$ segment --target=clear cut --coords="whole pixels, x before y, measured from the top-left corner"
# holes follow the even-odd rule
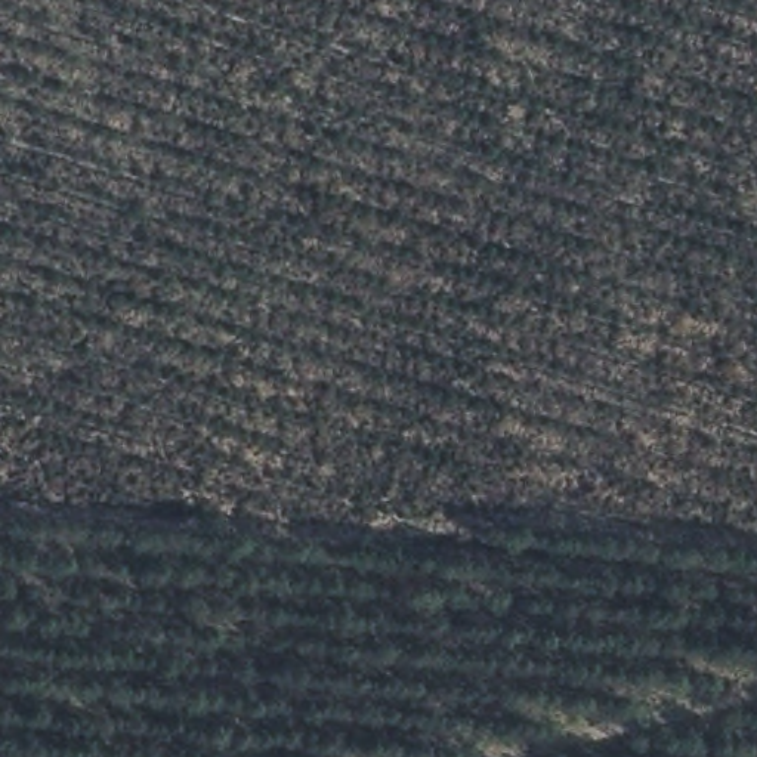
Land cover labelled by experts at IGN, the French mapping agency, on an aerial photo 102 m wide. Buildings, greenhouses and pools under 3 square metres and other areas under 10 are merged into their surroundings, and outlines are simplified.
[[[399,485],[399,500],[405,503],[399,520],[408,526],[420,526],[423,517],[444,512],[447,500],[470,500],[485,506],[547,503],[591,517],[698,517],[733,523],[739,529],[751,529],[757,520],[757,0],[0,0],[0,491],[21,497],[27,485],[38,485],[44,494],[59,491],[62,500],[80,506],[204,500],[210,509],[222,509],[228,503],[228,485],[237,485],[242,491],[257,491],[248,503],[248,515],[287,523],[290,506],[299,506],[308,517],[337,523],[346,515],[343,497],[349,497],[355,506],[364,506],[367,497],[384,497],[390,485]]]

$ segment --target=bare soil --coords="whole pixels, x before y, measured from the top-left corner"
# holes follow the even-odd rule
[[[470,529],[449,520],[444,512],[423,517],[420,526],[423,532],[452,532],[461,541],[470,538]]]
[[[716,727],[719,733],[730,713],[757,713],[757,674],[751,668],[707,659],[701,654],[692,656],[692,662],[692,668],[722,677],[722,692],[689,695],[686,701],[656,701],[642,719],[588,724],[577,707],[562,710],[553,704],[547,710],[550,722],[556,722],[556,727],[565,733],[559,739],[529,742],[517,748],[497,742],[482,742],[479,751],[485,757],[630,757],[636,736],[659,730],[659,724],[668,724],[680,739],[698,736],[698,730],[701,730],[701,727],[707,727],[707,724],[710,724],[710,727]]]

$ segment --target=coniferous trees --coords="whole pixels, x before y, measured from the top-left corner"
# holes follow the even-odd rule
[[[106,651],[68,654],[27,645],[0,648],[0,656],[21,662],[56,662],[62,668],[136,671],[151,671],[154,659]]]
[[[364,677],[281,668],[275,674],[275,686],[290,689],[423,698],[426,689],[423,683],[402,680],[373,683]]]
[[[101,562],[62,562],[56,571],[59,577],[77,574],[101,580],[130,580],[130,568],[124,565],[115,568]]]
[[[512,727],[485,722],[485,730],[497,742],[517,748],[529,742],[559,739],[565,733],[556,727],[556,722],[550,722],[526,719],[526,724]]]
[[[30,627],[56,636],[89,633],[86,621],[77,615],[44,618],[35,612],[12,612],[3,621],[9,630]]]
[[[633,538],[556,538],[535,535],[529,529],[470,529],[470,538],[506,547],[512,553],[535,547],[565,556],[645,562],[656,559],[656,547]]]
[[[473,722],[447,719],[444,713],[449,704],[491,704],[491,689],[447,686],[435,698],[429,713],[346,710],[340,704],[322,704],[308,710],[308,733],[245,733],[242,748],[299,748],[308,754],[337,757],[485,757],[479,751],[482,742],[473,730]],[[449,748],[435,751],[420,745],[367,745],[364,751],[352,751],[355,742],[346,742],[343,736],[334,736],[328,742],[316,739],[319,724],[328,719],[393,724],[405,730],[429,727],[447,736]]]
[[[103,612],[166,612],[163,600],[112,594],[103,603]]]
[[[145,571],[148,585],[204,583],[201,568],[157,568]]]
[[[668,724],[659,724],[659,730],[659,742],[665,745],[665,751],[683,757],[695,757],[695,754],[704,754],[704,739],[698,736],[680,739]]]
[[[257,648],[266,627],[325,627],[340,630],[340,645],[302,642],[302,654],[337,656],[346,662],[367,665],[396,662],[441,671],[455,668],[491,674],[559,674],[574,683],[612,686],[615,692],[609,695],[609,701],[574,701],[559,698],[553,692],[535,692],[535,698],[547,710],[553,704],[562,710],[577,707],[588,724],[642,719],[656,701],[686,701],[689,695],[722,692],[722,677],[692,668],[677,677],[662,677],[656,671],[624,674],[583,668],[571,662],[529,659],[523,656],[523,645],[571,648],[585,654],[609,651],[618,656],[654,654],[692,662],[692,656],[701,654],[707,659],[751,668],[757,674],[757,651],[727,648],[724,642],[689,645],[651,642],[633,636],[580,636],[577,618],[639,621],[639,609],[606,609],[591,603],[568,603],[562,633],[526,627],[467,627],[470,642],[506,645],[509,659],[464,656],[447,651],[411,654],[399,648],[355,648],[349,636],[352,630],[444,636],[449,621],[444,618],[441,606],[488,606],[500,612],[509,609],[506,594],[470,591],[470,580],[553,585],[603,594],[642,594],[654,591],[654,580],[503,568],[473,559],[452,565],[438,556],[429,556],[426,571],[444,580],[455,580],[455,591],[414,591],[408,621],[393,621],[387,615],[361,618],[355,612],[302,615],[284,609],[272,612],[263,606],[242,609],[242,594],[337,594],[367,600],[387,597],[387,588],[343,580],[275,577],[269,574],[272,559],[408,574],[411,556],[405,550],[373,553],[358,547],[337,550],[319,544],[293,547],[269,544],[260,538],[195,535],[166,529],[118,532],[112,526],[92,529],[71,523],[35,526],[12,517],[0,526],[0,597],[15,597],[18,583],[24,583],[27,574],[35,574],[35,559],[21,556],[27,541],[121,547],[136,553],[219,553],[228,556],[222,568],[222,585],[231,588],[228,600],[186,600],[186,612],[195,621],[201,621],[210,630],[210,636],[154,627],[109,630],[109,639],[172,645],[174,656],[166,665],[166,677],[195,674],[195,659],[204,651]],[[222,612],[228,615],[228,621],[254,621],[254,624],[257,624],[257,627],[254,627],[254,633],[248,633],[248,636],[242,636],[242,633],[228,633],[228,636],[225,636],[225,633],[216,633],[213,627],[216,627],[216,621],[219,621],[219,615],[222,615]]]
[[[719,571],[757,574],[757,553],[727,553],[719,559]]]
[[[730,713],[719,733],[719,739],[722,739],[722,757],[757,757],[757,713]]]
[[[201,730],[189,724],[133,722],[133,733],[148,736],[148,751],[109,754],[98,748],[95,733],[112,736],[115,722],[56,719],[47,710],[53,701],[71,701],[71,707],[77,707],[83,701],[106,698],[121,707],[148,704],[192,713],[225,710],[257,719],[287,716],[287,701],[257,695],[254,662],[240,665],[242,683],[234,695],[160,692],[154,686],[124,683],[74,686],[53,683],[47,677],[9,677],[3,683],[6,692],[38,695],[33,713],[35,727],[80,733],[86,748],[6,742],[0,748],[0,757],[169,757],[160,754],[163,742],[169,739],[210,745],[216,748],[216,757],[228,757],[231,730],[225,727]]]
[[[701,600],[716,597],[713,583],[671,583],[668,606],[662,612],[651,612],[651,627],[722,624],[722,612],[701,612]]]
[[[701,565],[701,550],[695,550],[695,547],[686,547],[686,550],[671,550],[671,553],[668,553],[668,568],[695,568],[695,565]]]

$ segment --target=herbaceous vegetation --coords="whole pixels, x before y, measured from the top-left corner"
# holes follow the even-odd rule
[[[529,529],[535,535],[556,538],[633,538],[656,547],[671,550],[686,550],[686,547],[695,547],[695,550],[701,550],[719,547],[727,553],[757,553],[757,520],[751,529],[739,529],[733,523],[698,517],[591,517],[547,503],[485,506],[470,500],[447,500],[444,512],[449,520],[470,529]]]

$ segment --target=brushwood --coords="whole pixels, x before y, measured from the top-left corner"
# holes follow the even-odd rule
[[[169,739],[163,742],[160,754],[169,757],[216,757],[216,748],[210,745]]]
[[[585,654],[571,648],[523,645],[523,656],[529,659],[571,662],[583,668],[624,674],[656,671],[662,677],[677,677],[692,668],[692,662],[654,654],[618,656],[609,651]]]
[[[707,724],[707,727],[701,727],[701,730],[698,730],[698,736],[704,739],[704,754],[695,754],[695,757],[722,757],[722,739],[719,739],[719,733],[716,727],[710,727],[710,724]]]
[[[396,662],[367,665],[346,662],[337,656],[302,654],[302,642],[340,645],[340,630],[325,627],[266,627],[257,648],[204,651],[195,659],[195,674],[166,677],[166,665],[174,656],[172,645],[109,639],[109,630],[154,627],[210,636],[210,630],[201,621],[195,621],[186,612],[186,600],[228,600],[231,588],[222,585],[222,568],[228,556],[219,553],[136,553],[121,547],[27,541],[21,556],[35,559],[35,574],[27,574],[24,583],[18,583],[15,597],[0,597],[0,648],[27,645],[68,654],[106,651],[154,659],[151,671],[136,671],[62,668],[56,662],[21,662],[0,656],[0,748],[6,742],[86,748],[80,733],[35,727],[33,713],[38,695],[6,692],[3,683],[9,677],[47,677],[53,683],[74,686],[124,683],[154,686],[160,692],[234,695],[242,683],[240,665],[254,662],[257,695],[287,701],[287,716],[257,719],[225,710],[192,713],[148,704],[121,707],[106,698],[83,701],[77,707],[71,707],[71,701],[53,701],[47,710],[56,719],[115,722],[112,736],[95,733],[98,748],[109,754],[148,751],[148,736],[133,733],[133,722],[189,724],[201,730],[225,727],[231,730],[228,757],[337,757],[308,754],[299,748],[242,748],[245,733],[308,733],[308,710],[322,704],[340,704],[346,710],[429,713],[435,698],[447,686],[491,689],[491,704],[449,704],[444,713],[447,719],[473,722],[473,730],[482,742],[497,742],[485,730],[485,722],[512,727],[526,724],[526,719],[550,722],[547,710],[535,698],[535,692],[553,692],[559,698],[574,701],[609,701],[609,695],[615,692],[612,686],[574,683],[559,674],[491,674],[455,668],[441,671]],[[101,580],[77,574],[59,577],[56,571],[62,562],[101,562],[115,568],[124,565],[130,568],[130,580]],[[204,583],[148,585],[145,571],[157,568],[201,568]],[[103,612],[103,603],[112,594],[163,600],[166,612]],[[77,615],[86,621],[89,633],[56,636],[30,627],[9,630],[3,621],[12,612],[35,612],[44,618]],[[275,686],[275,674],[281,668],[364,677],[373,683],[402,680],[423,683],[426,689],[423,698],[290,689]]]
[[[683,757],[665,751],[665,745],[659,742],[659,730],[636,736],[630,757]]]
[[[387,588],[387,597],[367,600],[337,594],[242,594],[242,609],[263,606],[272,612],[284,609],[302,615],[355,612],[361,618],[387,615],[393,621],[408,621],[414,591],[455,591],[455,580],[444,580],[426,571],[429,556],[438,556],[452,565],[473,559],[503,568],[654,580],[654,591],[642,594],[603,594],[553,585],[470,580],[470,591],[506,594],[509,609],[500,612],[488,606],[441,606],[444,618],[449,621],[444,636],[352,630],[349,636],[355,648],[399,648],[411,654],[447,651],[464,656],[509,659],[506,645],[470,642],[467,627],[526,627],[562,633],[568,603],[591,603],[606,609],[639,609],[639,621],[577,618],[580,636],[633,636],[651,642],[689,645],[724,642],[727,648],[757,651],[757,574],[719,571],[719,559],[727,553],[719,547],[701,550],[701,565],[695,565],[695,568],[668,568],[668,553],[671,553],[671,550],[656,547],[656,559],[645,562],[565,556],[535,547],[512,553],[506,547],[470,538],[461,541],[452,532],[423,532],[420,526],[408,526],[399,520],[405,503],[399,500],[399,485],[390,485],[384,497],[367,497],[364,506],[355,506],[349,497],[343,497],[346,515],[337,523],[308,517],[299,506],[290,506],[287,523],[248,515],[248,503],[257,491],[242,491],[237,485],[228,485],[228,503],[222,509],[210,509],[204,500],[80,506],[62,500],[59,491],[44,494],[38,485],[27,485],[21,497],[0,491],[0,526],[12,517],[35,526],[71,523],[92,529],[112,526],[118,532],[166,529],[195,535],[260,538],[269,544],[293,547],[319,544],[337,550],[358,547],[373,553],[405,550],[411,556],[408,574],[272,559],[269,574],[275,577],[343,580]],[[716,597],[701,600],[701,612],[722,612],[722,624],[651,627],[651,612],[662,612],[668,606],[671,583],[713,583]]]
[[[248,636],[248,633],[254,633],[254,627],[257,627],[257,624],[254,624],[254,621],[228,621],[228,615],[222,612],[222,615],[219,615],[219,621],[216,621],[216,627],[213,627],[216,633],[225,633],[225,636],[228,636],[228,633],[242,633],[242,636]]]
[[[420,745],[435,751],[449,748],[447,736],[429,727],[405,730],[393,724],[328,719],[319,724],[316,739],[328,742],[334,736],[343,736],[346,742],[355,742],[352,751],[364,751],[367,745]]]

